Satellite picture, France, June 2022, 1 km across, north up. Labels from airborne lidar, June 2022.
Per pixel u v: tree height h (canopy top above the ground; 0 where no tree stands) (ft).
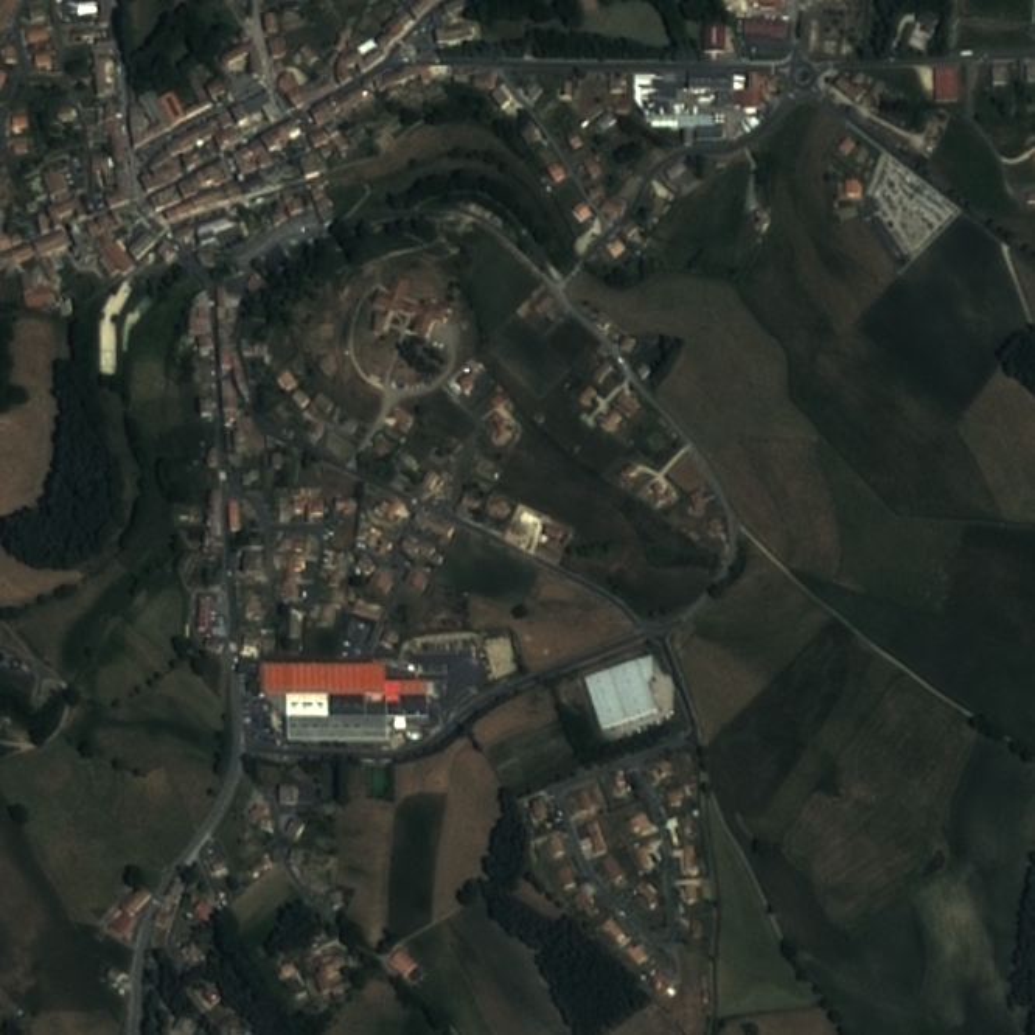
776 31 0
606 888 0
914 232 0
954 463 0
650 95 0
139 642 0
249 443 0
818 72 0
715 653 0
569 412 0
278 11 38
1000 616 0
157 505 0
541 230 52
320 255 44
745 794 0
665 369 82
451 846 0
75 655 0
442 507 0
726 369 0
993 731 60
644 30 0
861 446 0
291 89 0
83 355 81
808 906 0
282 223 0
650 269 50
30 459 0
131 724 0
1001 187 0
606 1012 60
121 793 0
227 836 0
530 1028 0
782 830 0
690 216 0
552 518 0
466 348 0
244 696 0
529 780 0
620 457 0
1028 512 0
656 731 27
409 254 0
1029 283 0
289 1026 78
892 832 0
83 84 32
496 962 0
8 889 0
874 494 0
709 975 0
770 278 0
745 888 0
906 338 0
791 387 0
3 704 25
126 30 112
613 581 25
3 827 0
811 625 0
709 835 0
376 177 0
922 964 0
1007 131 0
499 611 0
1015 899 0
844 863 0
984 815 0
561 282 0
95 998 0
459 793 0
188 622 0
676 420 0
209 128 0
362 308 0
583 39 48
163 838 0
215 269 47
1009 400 0
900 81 0
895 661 0
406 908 0
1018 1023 0
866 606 0
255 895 0
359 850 0
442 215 0
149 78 67
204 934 52
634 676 0
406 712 0
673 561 0
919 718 0
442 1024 65
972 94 0
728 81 0
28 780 0
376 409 0
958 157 0
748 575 0
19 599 0
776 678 0
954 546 0
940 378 0
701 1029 0
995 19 0
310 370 22
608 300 0
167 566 27
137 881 57
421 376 35
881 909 0
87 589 0
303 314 0
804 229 0
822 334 0
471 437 0
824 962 0
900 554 0
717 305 0
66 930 0
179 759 0
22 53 0
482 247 0
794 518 0
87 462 94
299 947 40
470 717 19
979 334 0
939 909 0
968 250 0
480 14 77
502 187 61
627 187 0
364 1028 0
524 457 0
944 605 0
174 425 0
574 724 29
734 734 0
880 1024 0
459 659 0
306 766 32
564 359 0
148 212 0
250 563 0
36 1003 0
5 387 67
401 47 0
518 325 0
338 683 0
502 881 42
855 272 0
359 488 26
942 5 43
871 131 0
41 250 0
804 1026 0
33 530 105
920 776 0
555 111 0
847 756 0
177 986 57
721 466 0
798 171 0
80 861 0
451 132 0
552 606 0
